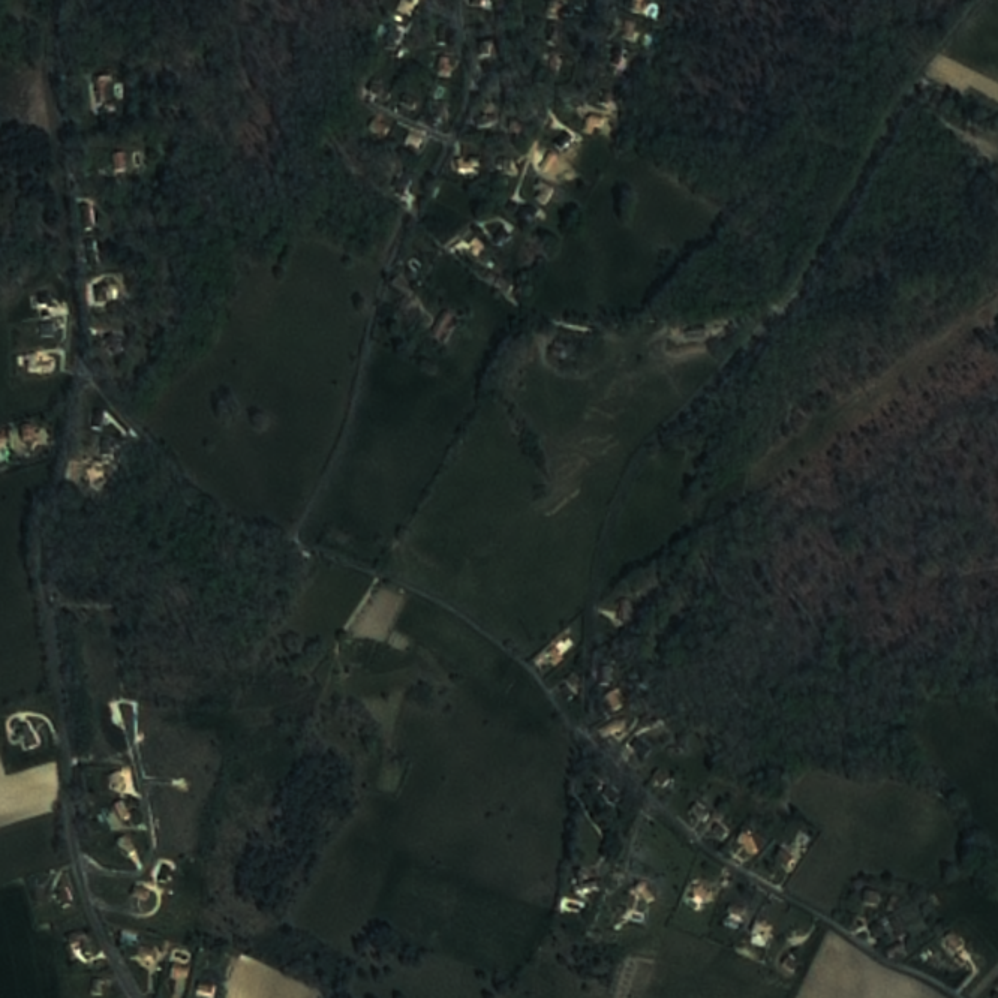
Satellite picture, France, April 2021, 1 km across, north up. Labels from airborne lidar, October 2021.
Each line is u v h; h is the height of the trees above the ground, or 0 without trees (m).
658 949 0
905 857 0
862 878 9
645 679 20
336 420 0
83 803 7
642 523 0
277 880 21
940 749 0
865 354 21
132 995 0
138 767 0
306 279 0
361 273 0
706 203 12
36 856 0
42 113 0
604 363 0
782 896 0
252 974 0
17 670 0
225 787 9
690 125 13
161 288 14
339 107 23
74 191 11
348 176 20
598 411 0
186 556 20
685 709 20
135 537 27
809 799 0
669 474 0
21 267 23
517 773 0
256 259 17
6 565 0
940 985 0
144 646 21
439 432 0
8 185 6
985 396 18
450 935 0
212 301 26
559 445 0
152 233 19
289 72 8
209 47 22
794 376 26
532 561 0
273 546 24
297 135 23
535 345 0
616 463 0
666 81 19
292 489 0
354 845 0
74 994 0
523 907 0
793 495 11
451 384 0
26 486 0
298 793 22
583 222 18
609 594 6
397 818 0
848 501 12
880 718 23
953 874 20
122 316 21
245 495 0
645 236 0
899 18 21
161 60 20
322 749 18
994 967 0
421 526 0
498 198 14
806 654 16
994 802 0
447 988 0
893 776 18
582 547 0
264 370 0
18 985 0
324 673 0
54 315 0
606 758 18
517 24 20
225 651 21
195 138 24
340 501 0
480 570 0
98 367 15
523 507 0
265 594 21
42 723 0
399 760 9
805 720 28
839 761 22
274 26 7
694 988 0
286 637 8
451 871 0
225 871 0
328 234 17
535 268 8
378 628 0
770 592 18
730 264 19
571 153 0
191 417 0
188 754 0
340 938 0
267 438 0
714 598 23
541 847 0
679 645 21
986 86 0
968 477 19
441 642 0
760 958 0
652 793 9
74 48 27
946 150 23
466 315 7
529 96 25
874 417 7
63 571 22
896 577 18
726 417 14
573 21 23
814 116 21
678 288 19
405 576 0
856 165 15
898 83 25
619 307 0
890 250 19
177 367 17
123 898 0
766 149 30
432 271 11
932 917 6
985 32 0
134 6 22
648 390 0
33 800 0
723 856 7
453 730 0
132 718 0
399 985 0
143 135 23
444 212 0
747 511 13
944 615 14
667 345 0
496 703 0
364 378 0
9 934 0
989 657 24
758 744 24
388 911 0
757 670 20
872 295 25
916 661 17
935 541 19
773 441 8
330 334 0
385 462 0
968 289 22
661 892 0
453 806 0
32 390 0
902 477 22
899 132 20
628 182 0
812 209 18
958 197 15
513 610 0
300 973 17
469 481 0
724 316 20
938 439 23
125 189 21
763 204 18
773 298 20
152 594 21
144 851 0
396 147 22
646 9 0
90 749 0
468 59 14
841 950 0
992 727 0
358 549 0
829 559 7
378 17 20
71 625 11
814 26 12
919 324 13
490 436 0
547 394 0
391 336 14
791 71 14
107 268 13
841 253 20
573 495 0
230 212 25
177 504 24
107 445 0
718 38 14
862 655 14
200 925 0
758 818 6
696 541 20
